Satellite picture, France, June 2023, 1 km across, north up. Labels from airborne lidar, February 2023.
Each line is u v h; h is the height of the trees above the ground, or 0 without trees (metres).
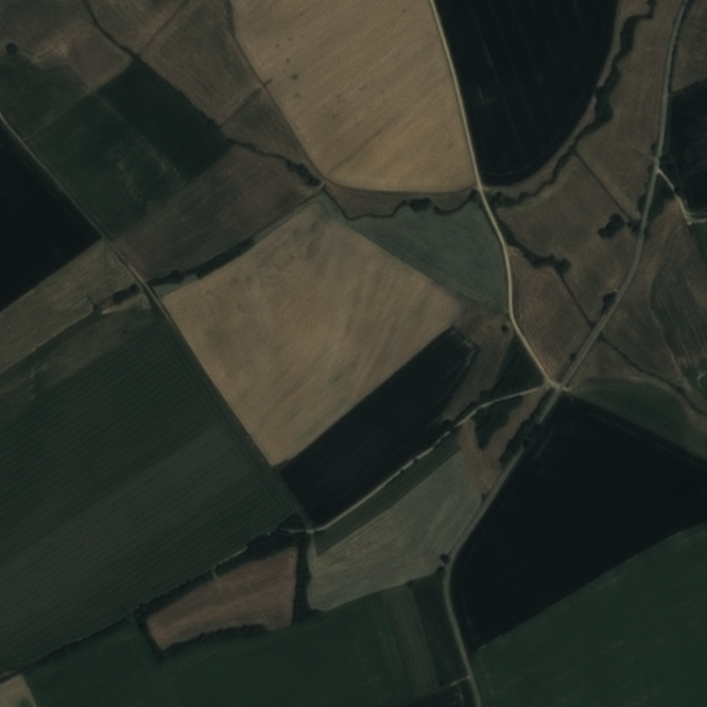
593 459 0
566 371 0
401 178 0
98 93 0
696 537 0
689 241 0
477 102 0
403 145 0
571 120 0
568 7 0
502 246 0
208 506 0
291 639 0
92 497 0
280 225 0
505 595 0
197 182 0
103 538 0
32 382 0
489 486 0
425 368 0
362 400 0
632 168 0
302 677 0
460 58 0
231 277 0
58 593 0
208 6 0
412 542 0
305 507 0
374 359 0
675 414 0
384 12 0
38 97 0
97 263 0
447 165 0
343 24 0
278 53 0
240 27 0
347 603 0
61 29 0
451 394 0
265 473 0
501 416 7
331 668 0
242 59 0
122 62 0
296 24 0
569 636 0
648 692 0
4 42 0
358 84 0
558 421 0
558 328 0
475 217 0
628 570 0
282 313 0
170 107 0
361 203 0
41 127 0
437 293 0
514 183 0
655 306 0
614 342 0
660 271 0
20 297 0
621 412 0
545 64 0
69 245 0
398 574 0
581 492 0
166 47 0
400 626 0
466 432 0
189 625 0
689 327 0
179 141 0
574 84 0
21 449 0
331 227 0
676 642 0
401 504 0
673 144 0
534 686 0
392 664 0
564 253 0
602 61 0
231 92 0
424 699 0
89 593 0
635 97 0
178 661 0
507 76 0
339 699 0
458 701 0
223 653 0
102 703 0
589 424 0
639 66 0
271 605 0
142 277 0
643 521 0
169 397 0
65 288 0
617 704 0
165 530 0
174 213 0
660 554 0
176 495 0
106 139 0
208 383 0
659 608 0
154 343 0
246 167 0
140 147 0
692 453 0
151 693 0
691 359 0
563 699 0
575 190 0
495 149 0
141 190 0
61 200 0
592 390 0
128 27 0
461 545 0
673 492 0
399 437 0
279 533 10
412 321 0
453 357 0
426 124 0
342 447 0
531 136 0
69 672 0
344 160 0
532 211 0
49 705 0
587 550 0
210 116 0
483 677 0
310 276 0
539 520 0
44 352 0
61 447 0
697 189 0
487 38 0
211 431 0
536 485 0
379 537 0
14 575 0
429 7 0
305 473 0
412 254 0
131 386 0
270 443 0
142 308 0
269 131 0
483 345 0
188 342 0
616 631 0
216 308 0
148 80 0
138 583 0
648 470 0
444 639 0
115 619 0
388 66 0
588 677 0
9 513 0
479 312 0
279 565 0
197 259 0
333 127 0
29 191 0
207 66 0
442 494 0
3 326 0
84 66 0
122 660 0
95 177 0
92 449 0
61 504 0
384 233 0
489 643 0
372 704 0
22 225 0
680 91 0
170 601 7
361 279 0
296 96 0
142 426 0
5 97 0
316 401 0
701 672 0
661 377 0
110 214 0
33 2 0
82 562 0
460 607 0
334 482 0
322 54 0
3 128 0
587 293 0
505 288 0
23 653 0
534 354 0
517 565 0
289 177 0
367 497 0
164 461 0
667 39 0
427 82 0
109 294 0
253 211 0
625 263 0
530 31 0
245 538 0
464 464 0
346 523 0
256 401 0
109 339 0
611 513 0
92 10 0
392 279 0
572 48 0
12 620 0
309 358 0
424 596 0
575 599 0
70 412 0
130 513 0
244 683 0
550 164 0
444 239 0
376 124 0
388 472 0
